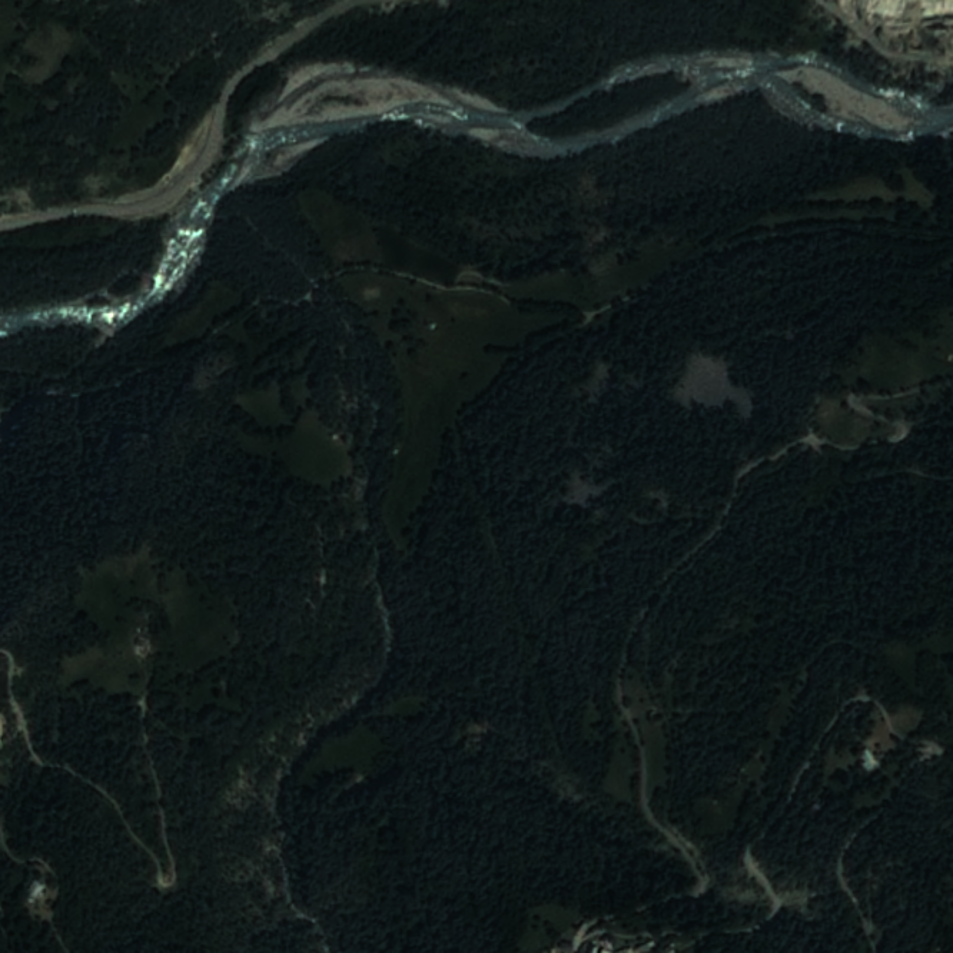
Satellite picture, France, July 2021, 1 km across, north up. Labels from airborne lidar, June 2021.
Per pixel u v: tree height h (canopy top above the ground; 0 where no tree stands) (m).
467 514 14
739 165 14
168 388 18
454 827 26
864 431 0
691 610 7
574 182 13
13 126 9
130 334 12
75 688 9
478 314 0
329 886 8
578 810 11
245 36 11
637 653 12
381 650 15
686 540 11
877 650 11
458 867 19
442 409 0
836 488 6
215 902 26
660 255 0
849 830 19
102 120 13
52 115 15
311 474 0
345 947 13
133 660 0
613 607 17
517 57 10
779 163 18
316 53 12
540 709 7
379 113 0
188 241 0
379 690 9
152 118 0
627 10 12
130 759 15
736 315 10
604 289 0
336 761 0
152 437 15
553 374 18
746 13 14
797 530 18
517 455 18
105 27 6
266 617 18
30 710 6
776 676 6
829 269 19
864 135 0
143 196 0
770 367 19
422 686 18
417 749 17
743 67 0
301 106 0
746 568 8
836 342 18
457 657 15
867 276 17
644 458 14
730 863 13
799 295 20
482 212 8
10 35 0
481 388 0
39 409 9
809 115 0
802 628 14
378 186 16
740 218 14
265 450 0
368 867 14
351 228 0
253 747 9
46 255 13
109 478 14
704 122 13
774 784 10
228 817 11
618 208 17
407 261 0
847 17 0
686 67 0
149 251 10
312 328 11
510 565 8
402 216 16
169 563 6
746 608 8
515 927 18
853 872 8
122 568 0
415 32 9
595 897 12
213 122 0
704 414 16
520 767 14
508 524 16
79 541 7
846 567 9
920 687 9
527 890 23
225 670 13
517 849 27
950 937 10
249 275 18
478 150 8
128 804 10
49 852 19
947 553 27
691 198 22
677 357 8
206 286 19
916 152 11
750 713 7
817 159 23
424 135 13
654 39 8
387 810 19
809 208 15
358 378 16
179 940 8
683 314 17
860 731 7
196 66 6
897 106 0
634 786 10
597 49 11
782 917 10
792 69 0
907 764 8
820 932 11
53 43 0
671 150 9
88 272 11
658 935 10
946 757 9
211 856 14
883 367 0
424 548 16
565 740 13
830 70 0
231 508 20
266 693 17
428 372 0
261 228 10
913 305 8
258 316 9
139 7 11
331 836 30
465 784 20
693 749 11
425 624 15
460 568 13
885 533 9
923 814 10
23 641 7
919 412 10
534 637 11
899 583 28
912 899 14
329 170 8
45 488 26
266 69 9
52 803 17
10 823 13
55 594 9
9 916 11
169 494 22
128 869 10
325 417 6
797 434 8
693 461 17
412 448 0
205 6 13
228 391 13
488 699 13
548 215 18
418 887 21
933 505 11
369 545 12
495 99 7
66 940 11
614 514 10
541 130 12
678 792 9
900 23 0
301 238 14
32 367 11
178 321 6
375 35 11
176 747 15
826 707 7
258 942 22
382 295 0
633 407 16
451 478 19
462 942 21
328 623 13
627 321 15
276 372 8
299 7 9
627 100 11
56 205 9
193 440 7
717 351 13
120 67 10
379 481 14
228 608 0
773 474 9
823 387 9
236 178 0
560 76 9
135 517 14
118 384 8
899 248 11
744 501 8
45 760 11
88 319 0
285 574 14
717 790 10
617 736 12
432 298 9
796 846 12
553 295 0
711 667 6
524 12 12
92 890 6
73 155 8
